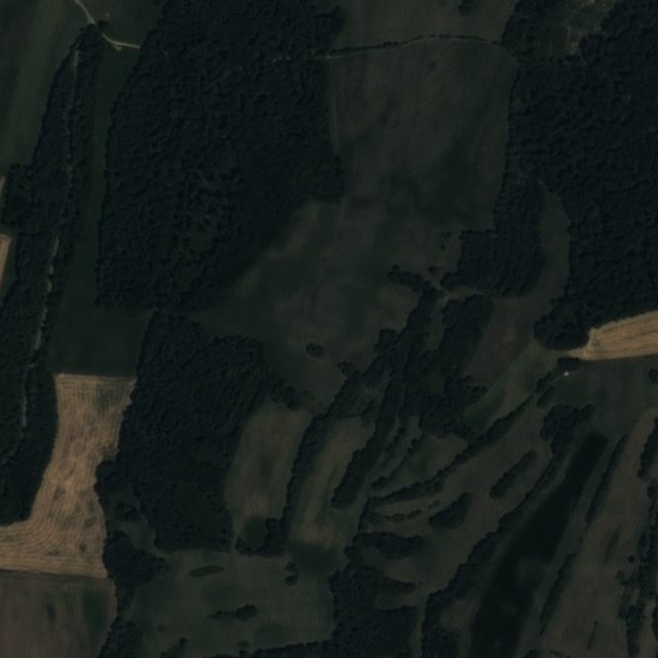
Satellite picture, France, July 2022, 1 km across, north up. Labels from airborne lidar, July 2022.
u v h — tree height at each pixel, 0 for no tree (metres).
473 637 0
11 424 16
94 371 0
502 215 13
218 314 0
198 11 27
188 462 20
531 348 0
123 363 0
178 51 12
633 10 8
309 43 17
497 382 0
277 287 0
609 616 0
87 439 0
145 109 16
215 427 7
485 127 0
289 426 0
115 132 18
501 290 14
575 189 26
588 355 0
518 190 13
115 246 19
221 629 0
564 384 0
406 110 0
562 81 24
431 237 0
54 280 20
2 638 0
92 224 0
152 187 24
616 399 0
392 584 9
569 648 0
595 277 16
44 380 21
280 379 9
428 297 14
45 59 0
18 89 0
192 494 0
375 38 0
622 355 0
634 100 20
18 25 0
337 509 13
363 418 7
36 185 25
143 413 23
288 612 0
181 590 0
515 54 13
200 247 0
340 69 0
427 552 0
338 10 11
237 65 20
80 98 19
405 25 0
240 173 21
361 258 0
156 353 10
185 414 18
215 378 24
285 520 11
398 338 10
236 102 25
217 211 30
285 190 20
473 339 12
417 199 0
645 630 0
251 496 0
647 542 17
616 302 25
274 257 0
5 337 19
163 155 13
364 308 0
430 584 0
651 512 6
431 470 0
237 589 0
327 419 15
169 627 0
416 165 0
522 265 10
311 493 0
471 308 15
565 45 0
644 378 0
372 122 0
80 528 0
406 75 0
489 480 0
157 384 19
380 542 18
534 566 0
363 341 0
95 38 14
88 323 0
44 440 21
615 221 24
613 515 0
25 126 0
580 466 0
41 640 0
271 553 15
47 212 20
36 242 21
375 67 0
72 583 0
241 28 31
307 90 21
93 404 0
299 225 0
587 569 0
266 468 0
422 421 12
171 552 16
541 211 17
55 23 0
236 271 22
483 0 0
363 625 16
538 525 0
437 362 9
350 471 13
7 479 19
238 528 0
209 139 20
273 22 21
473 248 16
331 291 0
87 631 0
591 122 26
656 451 14
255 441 0
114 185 22
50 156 20
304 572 0
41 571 0
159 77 18
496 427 12
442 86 0
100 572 0
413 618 17
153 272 25
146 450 19
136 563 21
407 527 0
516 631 0
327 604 0
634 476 0
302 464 16
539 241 12
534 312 0
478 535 0
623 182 25
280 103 17
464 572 17
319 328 0
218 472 17
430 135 0
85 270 0
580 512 0
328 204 12
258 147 18
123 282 21
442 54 0
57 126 21
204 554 0
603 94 29
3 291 0
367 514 11
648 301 23
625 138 20
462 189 0
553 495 0
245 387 9
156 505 15
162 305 22
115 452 0
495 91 0
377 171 0
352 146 0
